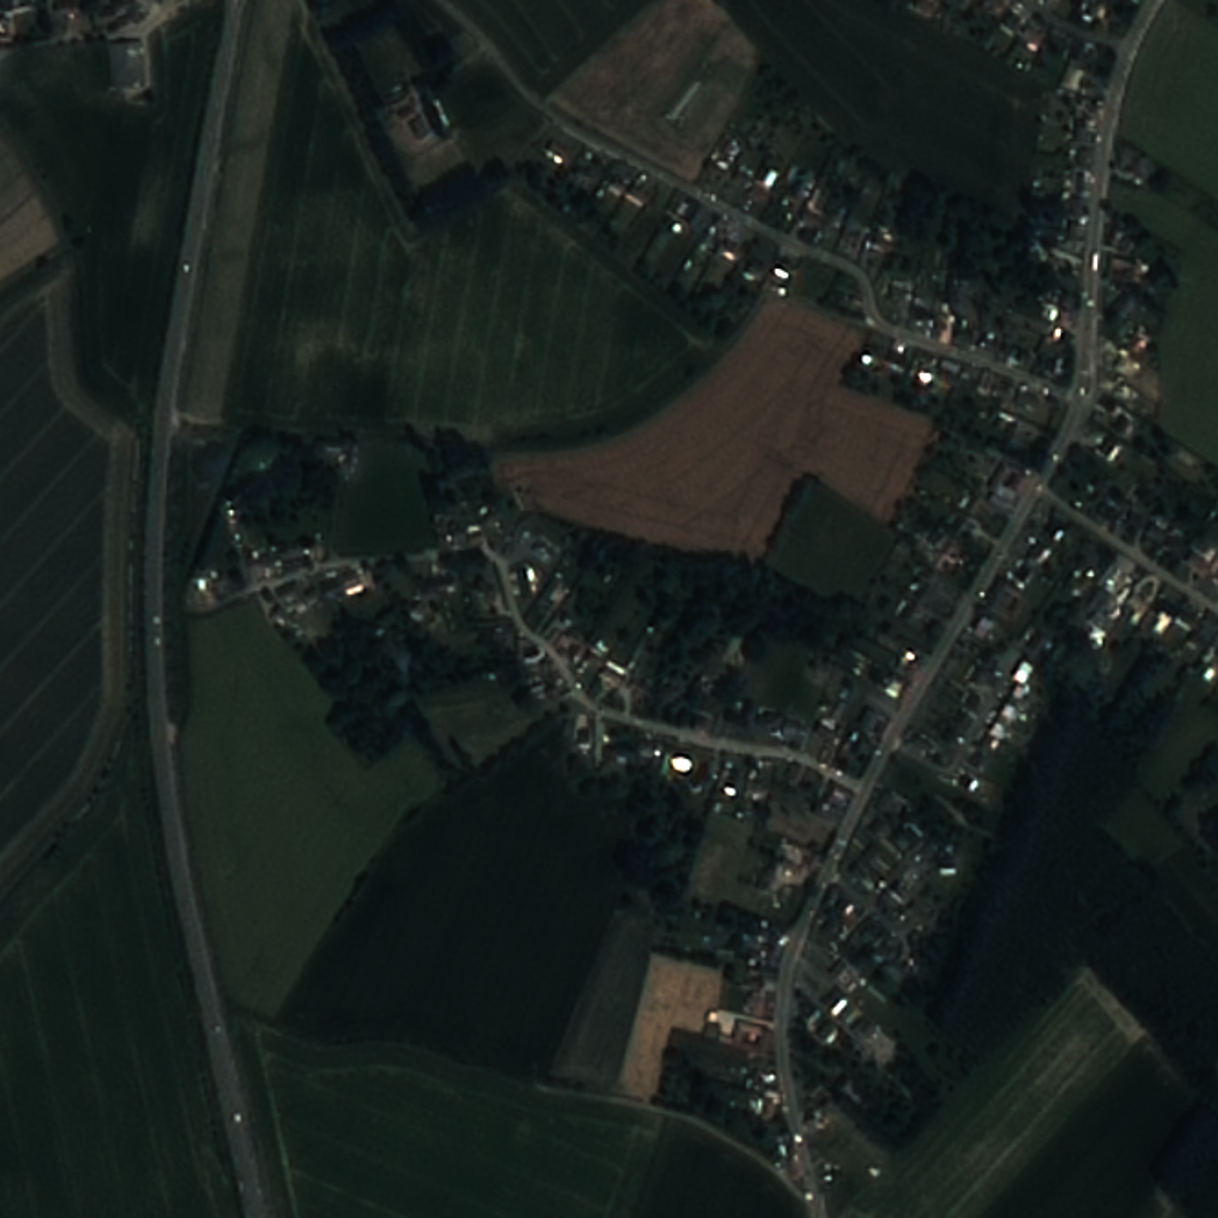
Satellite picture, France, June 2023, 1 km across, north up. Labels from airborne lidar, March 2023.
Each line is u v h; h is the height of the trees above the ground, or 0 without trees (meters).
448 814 0
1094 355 0
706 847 0
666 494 0
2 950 0
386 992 0
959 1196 0
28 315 0
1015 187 0
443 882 0
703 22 0
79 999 0
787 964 0
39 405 0
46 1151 0
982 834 0
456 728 0
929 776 0
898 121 0
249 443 11
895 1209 0
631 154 0
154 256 0
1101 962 38
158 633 0
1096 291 0
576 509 0
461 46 0
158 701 0
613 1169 0
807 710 0
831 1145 0
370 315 0
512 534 0
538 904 0
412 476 0
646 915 0
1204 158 0
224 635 0
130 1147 0
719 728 0
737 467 0
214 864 0
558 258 0
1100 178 0
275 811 0
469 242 0
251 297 0
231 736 0
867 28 0
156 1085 0
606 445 0
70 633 0
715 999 0
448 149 0
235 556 8
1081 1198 0
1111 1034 0
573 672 0
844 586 0
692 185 0
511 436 0
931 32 0
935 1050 9
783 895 0
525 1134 0
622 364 0
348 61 16
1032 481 0
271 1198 0
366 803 0
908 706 0
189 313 0
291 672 0
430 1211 0
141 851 0
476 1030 0
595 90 0
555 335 0
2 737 0
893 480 0
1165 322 0
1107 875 39
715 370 0
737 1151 0
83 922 0
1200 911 0
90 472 0
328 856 0
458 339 0
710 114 0
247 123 0
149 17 0
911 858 0
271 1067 0
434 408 0
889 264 8
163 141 0
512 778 0
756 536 0
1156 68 0
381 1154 0
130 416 0
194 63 0
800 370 0
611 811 0
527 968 0
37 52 0
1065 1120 0
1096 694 7
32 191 0
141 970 0
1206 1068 36
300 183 0
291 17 0
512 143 0
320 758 0
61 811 0
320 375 0
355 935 0
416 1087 0
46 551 0
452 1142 0
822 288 0
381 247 0
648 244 0
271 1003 0
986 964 37
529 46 0
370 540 0
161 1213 0
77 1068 0
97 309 0
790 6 0
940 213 0
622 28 0
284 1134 0
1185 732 0
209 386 0
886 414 0
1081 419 0
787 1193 0
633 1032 0
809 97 0
